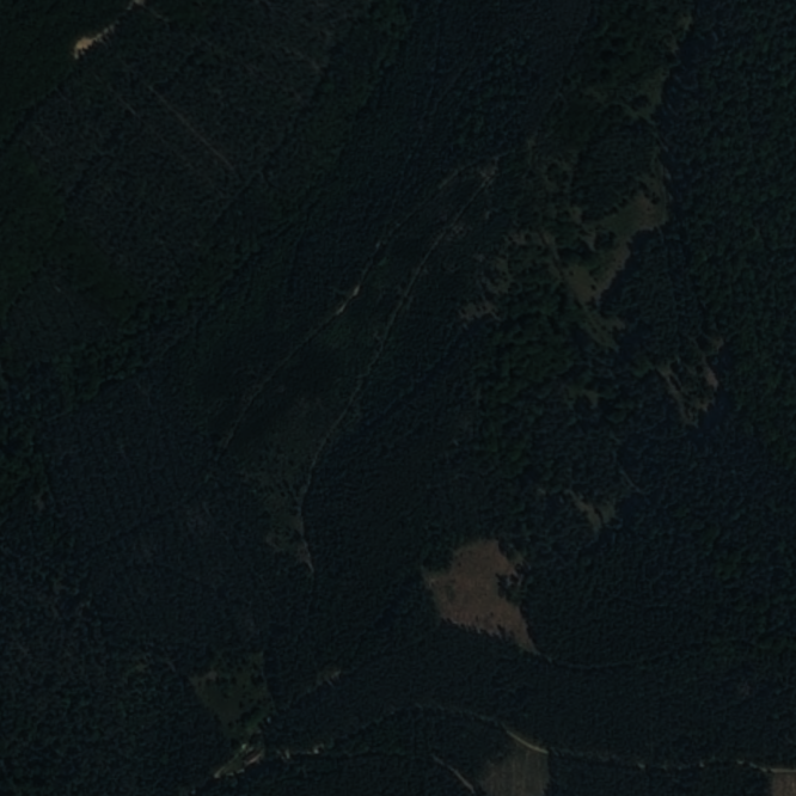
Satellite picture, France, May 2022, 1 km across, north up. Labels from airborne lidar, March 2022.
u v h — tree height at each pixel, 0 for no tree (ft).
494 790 0
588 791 67
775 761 33
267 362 18
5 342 75
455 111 36
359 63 72
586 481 107
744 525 104
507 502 74
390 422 45
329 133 67
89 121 79
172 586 69
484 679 67
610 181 76
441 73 39
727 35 94
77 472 74
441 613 84
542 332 114
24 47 52
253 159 88
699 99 119
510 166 46
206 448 49
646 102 68
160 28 95
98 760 69
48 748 30
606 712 75
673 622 86
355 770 53
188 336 52
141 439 66
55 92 73
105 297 84
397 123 34
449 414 37
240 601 62
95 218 81
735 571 92
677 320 86
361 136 46
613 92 29
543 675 78
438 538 56
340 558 46
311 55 89
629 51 104
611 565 78
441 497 63
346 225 62
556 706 76
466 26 38
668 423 139
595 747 69
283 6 98
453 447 51
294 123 80
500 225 38
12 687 75
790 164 64
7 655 77
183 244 81
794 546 74
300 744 73
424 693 67
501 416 63
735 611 68
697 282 99
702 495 111
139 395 76
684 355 48
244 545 45
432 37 65
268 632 63
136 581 73
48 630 73
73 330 74
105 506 71
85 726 22
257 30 99
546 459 108
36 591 94
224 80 92
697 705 72
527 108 46
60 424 94
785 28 65
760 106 70
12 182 85
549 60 42
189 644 55
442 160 43
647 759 74
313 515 34
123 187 78
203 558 68
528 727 71
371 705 57
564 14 41
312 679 82
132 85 100
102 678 61
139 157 90
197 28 78
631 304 73
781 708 76
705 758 74
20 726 80
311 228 38
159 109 87
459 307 21
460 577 83
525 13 32
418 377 43
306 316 25
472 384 33
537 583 92
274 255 49
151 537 70
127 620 69
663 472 117
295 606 56
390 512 43
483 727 73
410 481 51
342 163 61
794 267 65
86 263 99
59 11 62
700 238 104
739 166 91
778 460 101
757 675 23
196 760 73
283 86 95
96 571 63
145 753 59
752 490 110
